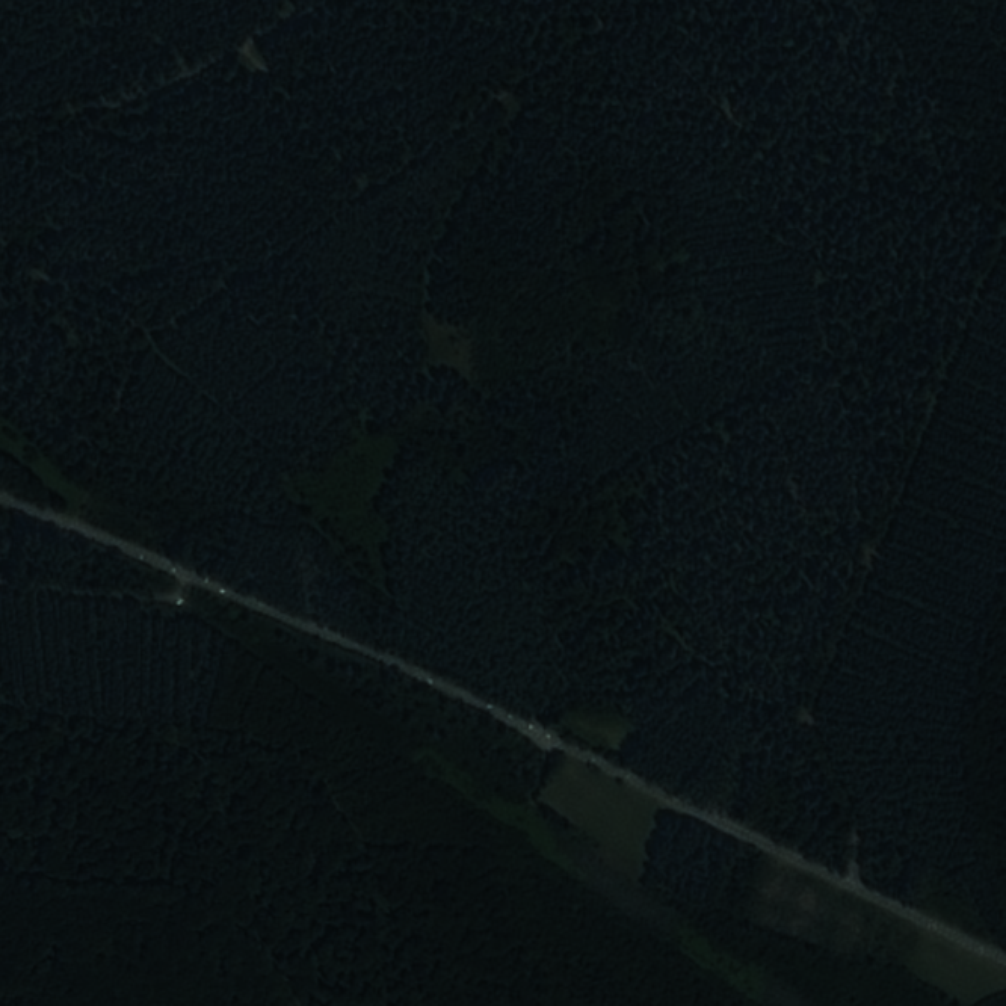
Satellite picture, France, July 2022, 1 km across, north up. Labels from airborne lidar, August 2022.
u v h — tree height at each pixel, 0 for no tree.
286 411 19
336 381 20
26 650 18
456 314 14
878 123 30
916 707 16
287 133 28
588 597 12
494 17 24
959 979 0
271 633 7
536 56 21
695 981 6
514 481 20
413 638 21
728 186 16
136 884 20
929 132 19
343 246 19
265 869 16
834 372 26
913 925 0
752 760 22
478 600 16
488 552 20
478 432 7
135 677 17
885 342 13
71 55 25
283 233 26
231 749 18
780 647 28
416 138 19
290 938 23
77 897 23
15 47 18
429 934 18
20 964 15
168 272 26
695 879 28
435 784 11
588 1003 9
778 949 7
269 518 16
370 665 8
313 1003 23
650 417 19
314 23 29
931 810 19
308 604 23
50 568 40
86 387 14
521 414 17
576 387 10
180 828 10
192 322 18
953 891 9
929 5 22
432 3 17
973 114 18
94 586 15
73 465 22
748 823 9
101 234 29
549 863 8
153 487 14
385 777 11
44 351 31
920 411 14
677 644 17
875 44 26
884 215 30
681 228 23
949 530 16
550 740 0
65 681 18
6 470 24
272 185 31
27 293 17
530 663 22
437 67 24
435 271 15
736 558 29
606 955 8
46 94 25
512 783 9
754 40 29
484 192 7
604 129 15
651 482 10
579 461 16
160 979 21
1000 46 8
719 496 26
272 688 15
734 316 29
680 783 28
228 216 29
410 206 26
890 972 6
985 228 22
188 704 17
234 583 20
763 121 28
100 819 19
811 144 33
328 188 28
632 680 28
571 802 0
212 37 28
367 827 9
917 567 15
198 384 13
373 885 12
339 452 15
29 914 22
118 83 26
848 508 29
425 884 17
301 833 19
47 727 19
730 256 19
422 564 23
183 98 28
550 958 10
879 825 11
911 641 16
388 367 22
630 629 26
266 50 24
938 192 25
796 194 11
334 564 21
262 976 24
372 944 26
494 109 21
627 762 21
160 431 20
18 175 29
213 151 28
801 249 26
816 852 21
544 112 17
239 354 18
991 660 23
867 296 28
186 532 20
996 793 20
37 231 8
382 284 19
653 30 19
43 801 22
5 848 23
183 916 22
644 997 6
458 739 7
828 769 11
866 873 8
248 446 25
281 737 12
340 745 8
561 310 6
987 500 13
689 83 28
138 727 18
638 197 21
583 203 8
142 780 20
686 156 17
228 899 22
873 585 9
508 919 13
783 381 8
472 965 18
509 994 17
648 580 18
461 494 14
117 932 23
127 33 24
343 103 6
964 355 15
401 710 10
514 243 9
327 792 19
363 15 25
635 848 0
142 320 9
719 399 20
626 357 16
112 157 26
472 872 20
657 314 24
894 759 20
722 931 14
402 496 18
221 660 18
